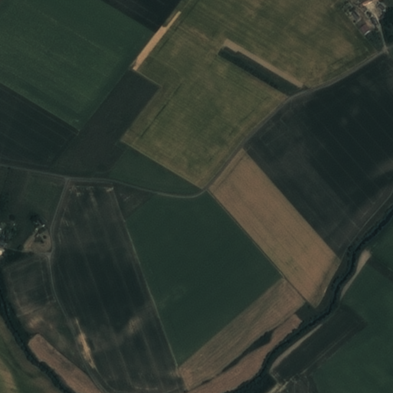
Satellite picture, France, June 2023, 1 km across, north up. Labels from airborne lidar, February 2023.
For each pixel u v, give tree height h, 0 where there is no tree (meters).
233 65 0
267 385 13
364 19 0
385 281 0
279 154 0
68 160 0
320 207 0
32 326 0
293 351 0
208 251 0
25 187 0
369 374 0
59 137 0
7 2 0
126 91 0
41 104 0
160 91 0
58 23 0
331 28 0
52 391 0
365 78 0
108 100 0
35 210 0
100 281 0
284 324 0
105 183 0
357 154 0
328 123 0
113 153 0
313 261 0
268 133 0
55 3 0
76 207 0
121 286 0
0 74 0
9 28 0
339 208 0
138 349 0
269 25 0
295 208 0
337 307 8
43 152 0
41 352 0
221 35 0
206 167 0
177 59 0
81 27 0
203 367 0
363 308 0
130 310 0
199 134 0
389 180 0
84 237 0
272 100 0
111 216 0
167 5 0
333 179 0
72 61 0
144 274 0
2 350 0
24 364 0
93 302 0
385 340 0
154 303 0
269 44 0
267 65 0
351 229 0
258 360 0
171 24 0
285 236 0
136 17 0
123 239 0
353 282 0
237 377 0
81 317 0
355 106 0
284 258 0
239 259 0
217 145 0
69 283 0
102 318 0
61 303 0
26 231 0
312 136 0
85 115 0
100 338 0
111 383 0
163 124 0
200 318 0
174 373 0
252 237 0
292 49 0
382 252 0
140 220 0
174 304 0
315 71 0
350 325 0
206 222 0
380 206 0
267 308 0
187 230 0
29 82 0
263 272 0
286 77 0
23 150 0
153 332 0
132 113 0
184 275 0
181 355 0
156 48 0
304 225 0
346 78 0
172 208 0
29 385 0
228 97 0
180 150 0
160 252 0
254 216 0
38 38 0
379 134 0
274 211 0
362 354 0
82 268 0
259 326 0
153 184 0
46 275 0
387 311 0
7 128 0
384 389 0
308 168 0
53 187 0
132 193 0
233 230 0
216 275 0
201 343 0
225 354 0
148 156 0
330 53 0
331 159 0
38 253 0
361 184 0
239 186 0
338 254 0
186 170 0
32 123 0
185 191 0
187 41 0
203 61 0
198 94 0
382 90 0
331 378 0
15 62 0
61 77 0
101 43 0
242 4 0
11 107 0
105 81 0
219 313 0
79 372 0
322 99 0
